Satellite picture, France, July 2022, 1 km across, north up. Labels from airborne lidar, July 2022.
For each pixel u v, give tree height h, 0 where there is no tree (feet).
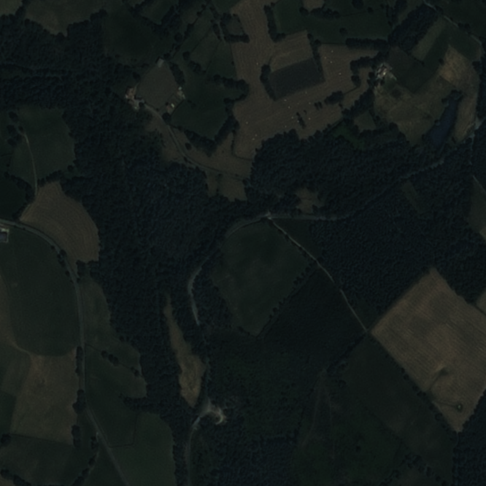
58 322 0
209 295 45
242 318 0
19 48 49
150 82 0
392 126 55
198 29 0
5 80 20
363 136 42
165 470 0
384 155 35
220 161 0
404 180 47
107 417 0
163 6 0
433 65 0
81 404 65
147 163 40
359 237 49
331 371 56
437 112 0
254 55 0
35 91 55
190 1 51
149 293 52
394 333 0
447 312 0
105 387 0
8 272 0
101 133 51
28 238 0
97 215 63
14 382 0
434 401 0
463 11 0
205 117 0
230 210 43
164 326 49
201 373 0
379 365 0
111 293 51
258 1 0
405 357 0
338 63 0
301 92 0
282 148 70
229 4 0
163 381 64
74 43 33
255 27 0
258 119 0
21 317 0
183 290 51
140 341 66
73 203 0
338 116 0
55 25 0
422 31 47
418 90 0
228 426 28
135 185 55
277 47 0
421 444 0
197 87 0
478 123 0
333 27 0
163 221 54
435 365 0
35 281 0
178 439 47
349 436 0
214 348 40
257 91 0
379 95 0
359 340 64
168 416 41
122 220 60
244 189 0
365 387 0
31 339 0
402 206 58
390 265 69
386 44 60
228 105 59
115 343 0
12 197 0
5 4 0
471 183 57
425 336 0
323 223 33
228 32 25
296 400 24
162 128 0
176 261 70
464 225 45
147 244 42
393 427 0
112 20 0
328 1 43
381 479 0
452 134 32
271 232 0
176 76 55
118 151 63
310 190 48
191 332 38
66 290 0
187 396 0
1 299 0
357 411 0
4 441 46
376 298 64
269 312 0
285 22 0
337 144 56
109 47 0
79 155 68
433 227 79
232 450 61
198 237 48
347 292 65
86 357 0
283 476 76
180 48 24
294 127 0
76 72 69
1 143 0
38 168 0
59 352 0
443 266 61
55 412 0
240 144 0
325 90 0
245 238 0
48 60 54
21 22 44
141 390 0
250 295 0
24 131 39
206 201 35
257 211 45
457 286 29
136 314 48
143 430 0
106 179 69
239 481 94
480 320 0
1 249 0
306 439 0
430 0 61
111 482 0
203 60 0
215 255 51
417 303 0
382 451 0
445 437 0
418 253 61
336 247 65
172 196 67
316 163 55
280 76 0
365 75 0
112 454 0
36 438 0
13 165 0
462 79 0
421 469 43
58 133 0
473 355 0
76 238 0
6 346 0
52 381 0
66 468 0
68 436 0
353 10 0
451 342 0
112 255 72
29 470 0
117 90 0
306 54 0
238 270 0
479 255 30
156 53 0
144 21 47
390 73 0
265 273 0
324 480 0
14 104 46
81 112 52
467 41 0
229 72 0
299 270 0
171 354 43
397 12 53
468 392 0
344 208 61
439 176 35
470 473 98
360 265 67
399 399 0
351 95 0
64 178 55
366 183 62
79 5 0
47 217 0
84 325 0
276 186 60
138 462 0
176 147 0
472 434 47
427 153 19
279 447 64
